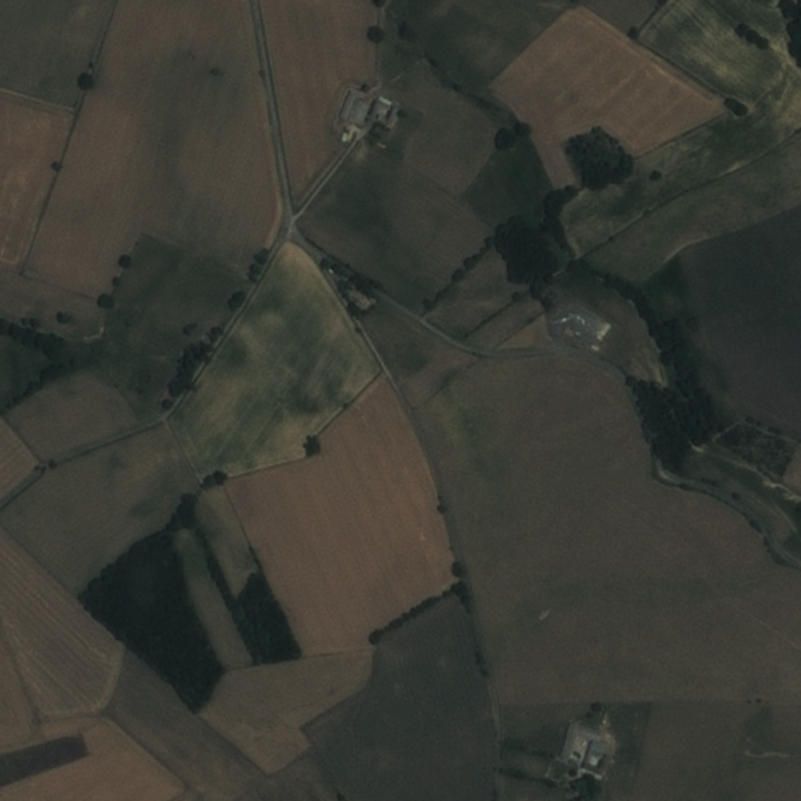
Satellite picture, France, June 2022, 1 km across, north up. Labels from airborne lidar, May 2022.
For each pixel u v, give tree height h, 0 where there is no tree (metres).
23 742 0
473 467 0
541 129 0
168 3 0
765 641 0
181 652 13
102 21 0
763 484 0
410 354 0
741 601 0
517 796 0
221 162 0
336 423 0
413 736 0
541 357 0
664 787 0
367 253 0
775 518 0
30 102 0
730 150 0
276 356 0
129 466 0
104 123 0
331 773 0
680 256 0
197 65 0
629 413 0
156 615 11
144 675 0
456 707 0
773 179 0
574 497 0
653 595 0
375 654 0
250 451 0
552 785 7
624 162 13
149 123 0
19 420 0
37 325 12
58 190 0
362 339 0
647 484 0
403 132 0
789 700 0
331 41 0
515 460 0
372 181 0
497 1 0
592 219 0
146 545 12
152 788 0
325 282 0
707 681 0
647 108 0
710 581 0
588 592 0
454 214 0
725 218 0
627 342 0
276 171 0
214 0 0
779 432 7
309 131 0
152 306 0
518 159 0
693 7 0
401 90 0
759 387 0
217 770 0
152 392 0
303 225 0
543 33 0
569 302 0
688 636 0
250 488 0
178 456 0
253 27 0
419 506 0
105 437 0
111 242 0
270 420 0
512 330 0
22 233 0
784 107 0
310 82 0
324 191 0
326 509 0
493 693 0
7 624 0
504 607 0
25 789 0
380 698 0
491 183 0
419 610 11
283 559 0
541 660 0
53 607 0
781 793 0
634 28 7
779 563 0
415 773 0
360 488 0
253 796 0
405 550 0
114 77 0
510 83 0
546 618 0
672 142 0
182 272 0
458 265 0
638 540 0
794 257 0
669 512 0
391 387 0
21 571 0
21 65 0
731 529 0
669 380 0
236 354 0
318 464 0
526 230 16
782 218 0
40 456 0
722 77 0
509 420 0
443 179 0
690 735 0
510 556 0
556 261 18
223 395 0
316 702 0
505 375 0
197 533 6
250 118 0
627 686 0
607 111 0
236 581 0
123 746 0
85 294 0
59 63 0
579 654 0
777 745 0
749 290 0
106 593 11
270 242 0
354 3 0
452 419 0
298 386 0
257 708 0
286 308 0
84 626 0
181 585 13
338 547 0
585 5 0
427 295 0
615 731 0
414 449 0
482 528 0
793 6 17
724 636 0
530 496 0
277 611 10
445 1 0
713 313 0
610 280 14
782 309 0
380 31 13
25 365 0
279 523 0
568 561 0
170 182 0
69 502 0
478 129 0
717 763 0
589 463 0
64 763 0
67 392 0
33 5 0
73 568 0
